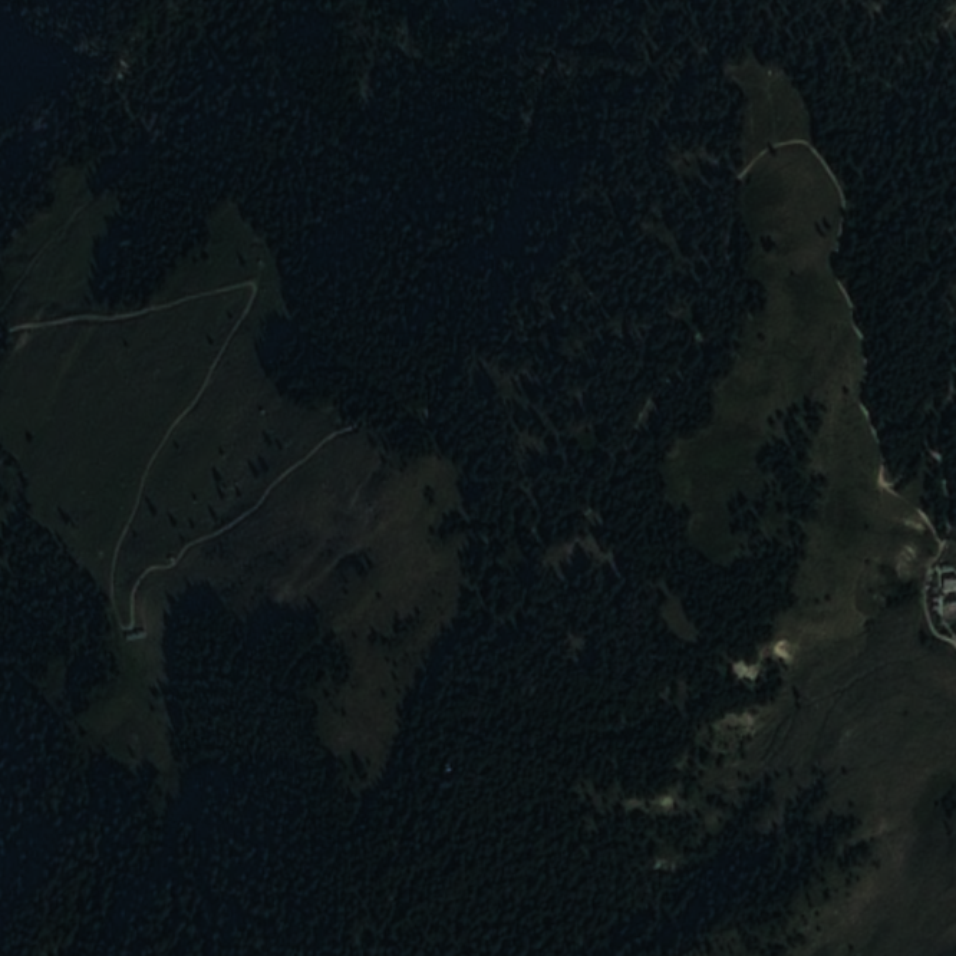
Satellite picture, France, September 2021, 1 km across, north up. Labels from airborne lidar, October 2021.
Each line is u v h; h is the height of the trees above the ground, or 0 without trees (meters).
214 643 9
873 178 11
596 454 0
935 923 0
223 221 0
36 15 10
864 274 19
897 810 0
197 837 7
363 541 0
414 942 16
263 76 15
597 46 9
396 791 10
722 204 21
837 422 0
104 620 18
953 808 7
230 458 0
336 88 15
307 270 20
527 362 25
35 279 0
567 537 23
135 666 0
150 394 0
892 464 18
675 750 18
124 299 20
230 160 20
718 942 6
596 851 14
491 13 26
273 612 0
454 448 23
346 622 0
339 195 19
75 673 12
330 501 0
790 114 0
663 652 19
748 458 0
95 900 6
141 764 0
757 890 15
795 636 0
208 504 0
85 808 6
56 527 0
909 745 0
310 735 12
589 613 18
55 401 0
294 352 18
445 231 19
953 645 0
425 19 9
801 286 0
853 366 0
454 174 14
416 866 22
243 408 0
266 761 16
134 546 0
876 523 0
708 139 26
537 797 17
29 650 14
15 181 12
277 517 0
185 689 21
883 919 0
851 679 0
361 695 0
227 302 0
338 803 19
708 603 20
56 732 25
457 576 0
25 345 0
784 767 0
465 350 17
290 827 24
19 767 28
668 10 30
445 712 23
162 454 0
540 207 16
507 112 10
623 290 18
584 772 19
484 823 19
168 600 0
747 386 0
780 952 16
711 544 0
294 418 0
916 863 0
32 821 14
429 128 20
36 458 0
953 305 22
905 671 0
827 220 0
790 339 0
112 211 0
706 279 26
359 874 17
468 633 19
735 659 13
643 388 26
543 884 9
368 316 21
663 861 0
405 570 0
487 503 22
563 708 21
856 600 0
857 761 0
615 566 0
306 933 17
